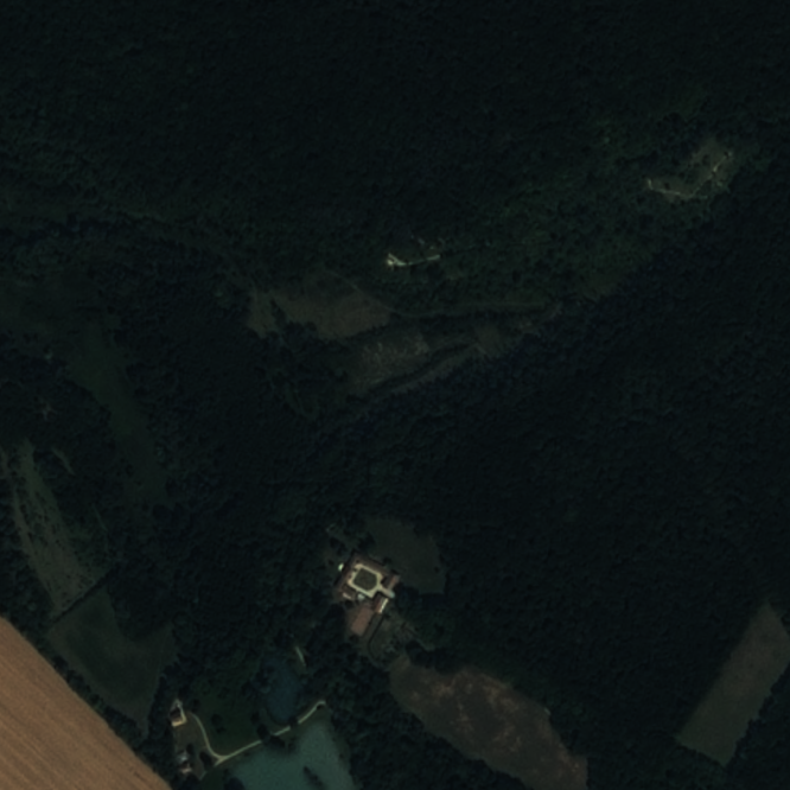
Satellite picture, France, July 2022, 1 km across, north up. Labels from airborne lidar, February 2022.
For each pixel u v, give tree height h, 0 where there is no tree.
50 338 0
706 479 23
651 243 18
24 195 8
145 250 12
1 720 0
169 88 19
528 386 35
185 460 20
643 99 17
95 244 30
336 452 28
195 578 21
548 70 20
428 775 22
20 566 16
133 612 25
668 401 16
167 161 20
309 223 14
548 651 23
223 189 15
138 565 28
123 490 27
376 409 14
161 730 22
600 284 0
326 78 17
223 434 26
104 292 10
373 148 17
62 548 0
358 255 18
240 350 25
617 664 23
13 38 16
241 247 18
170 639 0
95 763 0
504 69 19
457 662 23
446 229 6
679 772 18
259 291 15
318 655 34
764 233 18
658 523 25
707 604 18
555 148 20
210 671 26
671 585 23
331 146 17
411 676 0
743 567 21
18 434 10
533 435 23
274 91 19
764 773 19
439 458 24
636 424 21
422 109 20
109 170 11
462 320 8
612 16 19
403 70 16
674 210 8
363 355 0
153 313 19
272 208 21
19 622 15
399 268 8
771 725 18
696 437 20
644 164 21
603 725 21
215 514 27
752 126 19
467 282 6
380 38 7
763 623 0
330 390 16
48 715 0
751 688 0
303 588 31
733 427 22
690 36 19
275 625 27
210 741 0
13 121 9
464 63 23
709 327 17
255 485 24
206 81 17
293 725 13
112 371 0
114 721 24
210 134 20
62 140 16
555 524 22
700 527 26
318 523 19
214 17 22
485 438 23
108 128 18
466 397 26
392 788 22
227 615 20
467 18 16
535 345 22
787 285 21
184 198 20
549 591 21
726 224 25
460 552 24
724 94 14
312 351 21
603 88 20
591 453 26
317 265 15
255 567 23
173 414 20
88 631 0
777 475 22
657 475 22
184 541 27
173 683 24
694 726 0
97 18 16
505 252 13
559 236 15
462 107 23
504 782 20
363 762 18
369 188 17
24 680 0
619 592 23
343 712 15
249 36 17
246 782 0
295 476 21
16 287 0
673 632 21
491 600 24
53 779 0
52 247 26
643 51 16
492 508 22
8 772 0
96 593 8
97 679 0
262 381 18
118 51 16
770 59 21
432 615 29
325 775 0
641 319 29
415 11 18
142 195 11
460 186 17
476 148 17
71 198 25
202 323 25
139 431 0
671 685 21
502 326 16
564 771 0
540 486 21
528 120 20
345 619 15
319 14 19
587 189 9
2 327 0
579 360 33
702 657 21
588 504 24
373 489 25
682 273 30
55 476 28
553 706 17
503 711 0
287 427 23
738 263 20
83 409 22
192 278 26
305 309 0
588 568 24
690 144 6
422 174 25
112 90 15
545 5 18
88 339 0
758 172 20
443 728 0
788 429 21
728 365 18
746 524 19
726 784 19
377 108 17
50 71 19
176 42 20
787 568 21
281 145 18
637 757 20
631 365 19
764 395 20
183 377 20
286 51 16
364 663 12
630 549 24
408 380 8
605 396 18
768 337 18
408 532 0
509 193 12
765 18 12
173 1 19
